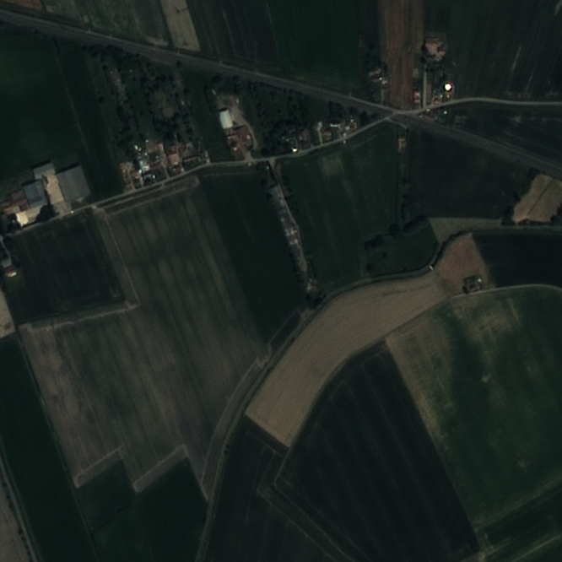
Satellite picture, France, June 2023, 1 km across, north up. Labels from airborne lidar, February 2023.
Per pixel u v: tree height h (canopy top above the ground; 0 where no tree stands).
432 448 0
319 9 0
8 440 0
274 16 0
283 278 0
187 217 0
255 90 12
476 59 0
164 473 0
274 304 0
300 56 0
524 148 0
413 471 0
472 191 0
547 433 0
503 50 0
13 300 0
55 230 0
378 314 0
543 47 0
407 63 0
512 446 0
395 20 0
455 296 0
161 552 0
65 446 0
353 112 10
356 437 0
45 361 0
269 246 0
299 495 0
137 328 0
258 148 0
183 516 0
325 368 0
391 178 0
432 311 0
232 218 0
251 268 0
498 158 0
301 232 0
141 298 0
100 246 0
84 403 0
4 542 0
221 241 0
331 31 0
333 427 0
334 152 0
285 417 0
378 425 0
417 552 0
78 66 0
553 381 0
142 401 0
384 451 0
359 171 0
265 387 0
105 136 0
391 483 0
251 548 0
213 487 0
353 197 0
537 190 0
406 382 0
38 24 0
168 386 0
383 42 0
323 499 0
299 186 0
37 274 0
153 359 0
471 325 0
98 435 0
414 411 0
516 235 0
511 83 0
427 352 0
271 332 0
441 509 0
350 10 0
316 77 0
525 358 0
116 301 0
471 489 0
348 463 0
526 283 0
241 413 0
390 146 0
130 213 0
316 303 11
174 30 0
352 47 0
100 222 0
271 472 0
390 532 0
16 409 0
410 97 0
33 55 0
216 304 0
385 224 0
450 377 0
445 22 0
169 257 0
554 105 0
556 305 0
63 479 0
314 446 0
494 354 0
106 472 0
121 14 0
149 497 0
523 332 0
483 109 0
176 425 0
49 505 0
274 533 0
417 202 0
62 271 0
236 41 0
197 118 0
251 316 0
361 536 0
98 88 0
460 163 0
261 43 0
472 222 0
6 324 0
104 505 0
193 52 0
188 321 0
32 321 0
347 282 0
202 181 0
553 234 0
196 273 0
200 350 0
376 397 0
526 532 0
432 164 0
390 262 0
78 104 0
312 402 0
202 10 0
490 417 0
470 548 0
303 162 0
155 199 0
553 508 0
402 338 0
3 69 0
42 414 0
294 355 0
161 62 0
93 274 0
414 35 0
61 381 0
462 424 0
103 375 0
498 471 0
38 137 0
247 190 0
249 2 0
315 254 0
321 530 0
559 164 0
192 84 0
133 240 0
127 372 0
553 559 0
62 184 0
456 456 0
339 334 0
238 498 0
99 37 0
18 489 0
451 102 0
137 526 0
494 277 0
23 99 0
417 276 0
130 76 0
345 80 0
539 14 0
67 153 0
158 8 0
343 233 0
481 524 0
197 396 0
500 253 0
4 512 0
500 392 0
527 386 0
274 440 0
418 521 0
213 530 0
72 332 0
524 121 0
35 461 0
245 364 0
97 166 0
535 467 0
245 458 0
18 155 0
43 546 0
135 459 0
